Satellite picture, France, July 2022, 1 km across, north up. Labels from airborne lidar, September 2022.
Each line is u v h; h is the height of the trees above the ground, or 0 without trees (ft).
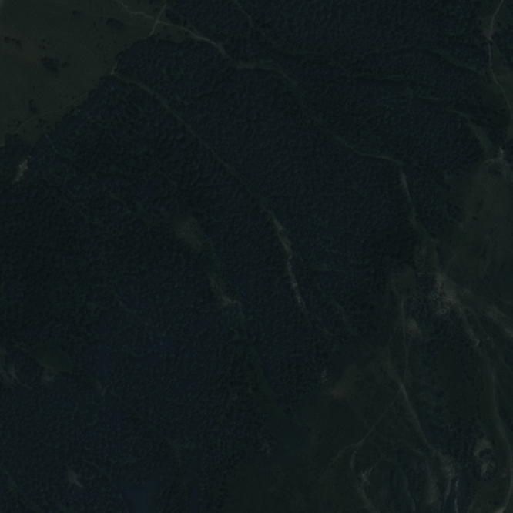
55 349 0
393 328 0
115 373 70
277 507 0
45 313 24
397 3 89
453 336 26
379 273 42
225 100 92
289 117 100
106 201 60
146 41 22
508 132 0
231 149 90
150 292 51
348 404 0
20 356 74
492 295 0
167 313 77
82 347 23
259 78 79
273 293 53
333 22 106
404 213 49
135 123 21
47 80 0
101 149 20
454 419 0
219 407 100
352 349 0
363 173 61
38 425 86
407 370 0
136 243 70
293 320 100
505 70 0
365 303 50
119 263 27
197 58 86
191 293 79
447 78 64
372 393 0
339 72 31
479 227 0
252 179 82
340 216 47
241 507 0
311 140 75
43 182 22
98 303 28
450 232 0
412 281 0
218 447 63
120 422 38
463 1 26
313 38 80
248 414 57
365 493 0
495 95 0
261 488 0
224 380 77
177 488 31
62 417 79
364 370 0
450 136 79
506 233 0
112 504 39
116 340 35
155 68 22
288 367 47
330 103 20
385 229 82
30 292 79
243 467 0
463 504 21
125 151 21
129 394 64
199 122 74
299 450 0
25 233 61
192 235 0
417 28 104
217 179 88
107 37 0
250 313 50
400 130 37
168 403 58
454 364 0
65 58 0
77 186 68
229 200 70
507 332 0
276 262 65
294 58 67
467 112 28
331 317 75
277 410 0
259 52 73
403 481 0
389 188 41
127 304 39
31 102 26
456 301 0
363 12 102
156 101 29
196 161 85
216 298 96
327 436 0
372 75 22
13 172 22
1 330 28
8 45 25
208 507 34
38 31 0
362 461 0
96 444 63
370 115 55
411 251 54
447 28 58
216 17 84
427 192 47
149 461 51
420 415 0
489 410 0
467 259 0
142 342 60
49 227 86
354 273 54
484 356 0
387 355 0
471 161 60
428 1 74
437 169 49
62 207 30
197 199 59
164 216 80
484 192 0
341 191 94
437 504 0
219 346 93
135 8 0
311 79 78
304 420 0
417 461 0
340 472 0
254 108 95
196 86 87
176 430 24
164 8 0
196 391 98
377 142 18
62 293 24
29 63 0
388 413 0
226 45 27
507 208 0
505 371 0
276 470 0
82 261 67
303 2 94
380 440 0
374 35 100
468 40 38
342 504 0
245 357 20
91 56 0
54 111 0
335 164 75
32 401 86
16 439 91
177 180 34
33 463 68
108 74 0
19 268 74
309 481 0
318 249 66
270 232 59
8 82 0
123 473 55
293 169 76
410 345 0
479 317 0
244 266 86
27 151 29
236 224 75
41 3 0
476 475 24
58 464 96
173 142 72
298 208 73
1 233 78
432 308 22
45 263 29
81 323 23
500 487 0
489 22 0
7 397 71
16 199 90
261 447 37
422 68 81
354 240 62
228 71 89
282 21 108
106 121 85
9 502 56
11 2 0
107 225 119
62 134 77
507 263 0
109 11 0
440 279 0
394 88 44
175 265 61
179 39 0
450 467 0
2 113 0
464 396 0
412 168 70
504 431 0
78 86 0
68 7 0
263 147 104
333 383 0
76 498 71
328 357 57
